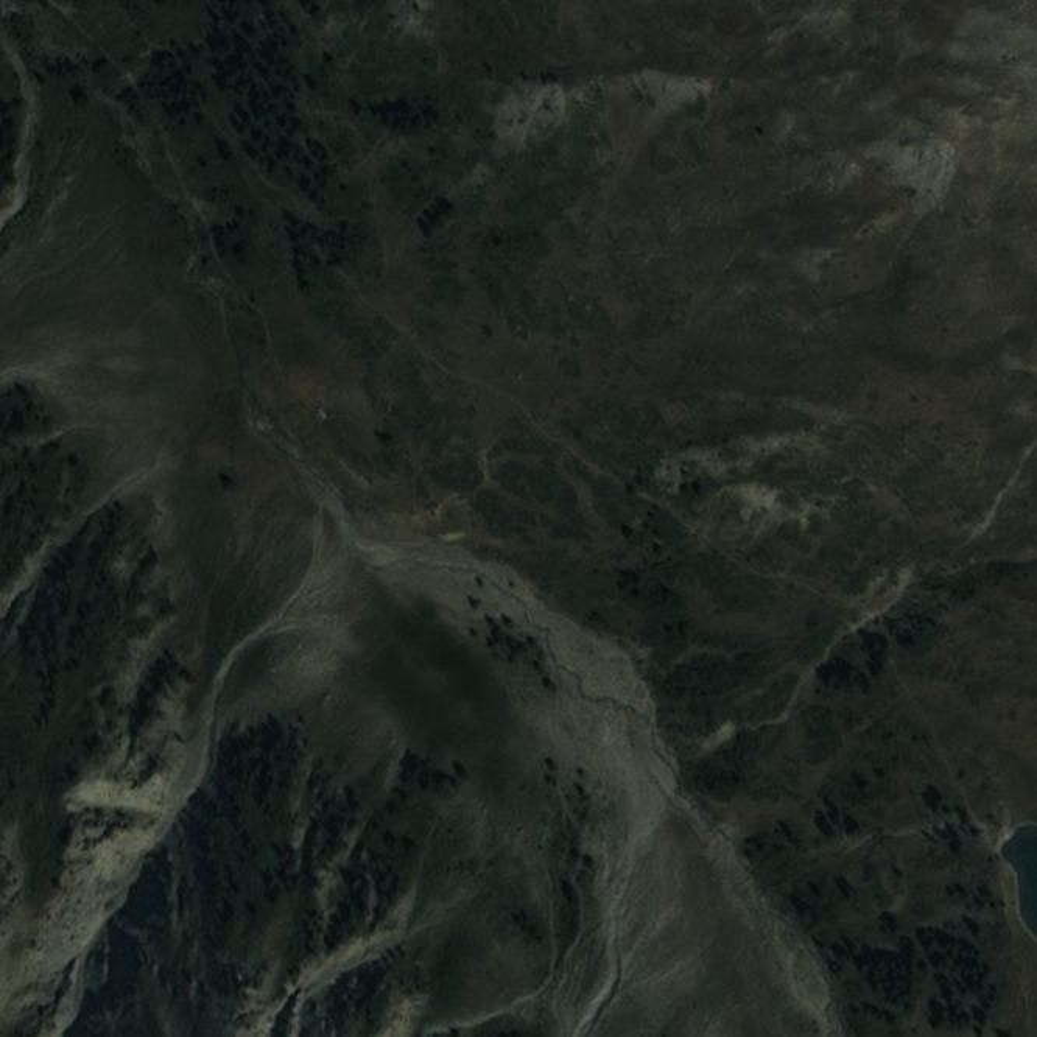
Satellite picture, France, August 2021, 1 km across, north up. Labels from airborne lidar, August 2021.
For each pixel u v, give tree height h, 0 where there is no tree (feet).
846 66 0
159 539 0
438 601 0
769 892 0
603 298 0
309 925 32
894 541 0
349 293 0
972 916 0
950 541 0
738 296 0
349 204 0
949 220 0
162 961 0
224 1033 0
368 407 0
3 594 0
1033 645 0
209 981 0
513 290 0
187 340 0
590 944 0
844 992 0
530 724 0
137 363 0
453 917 0
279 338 0
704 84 0
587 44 0
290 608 0
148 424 0
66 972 0
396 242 0
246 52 64
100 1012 0
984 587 0
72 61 24
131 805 0
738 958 0
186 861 0
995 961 0
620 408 0
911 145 0
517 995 0
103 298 0
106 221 0
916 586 0
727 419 0
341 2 0
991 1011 42
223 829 0
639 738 0
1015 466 0
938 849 61
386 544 0
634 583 45
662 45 0
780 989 0
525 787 0
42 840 0
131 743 0
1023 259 0
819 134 0
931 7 0
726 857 0
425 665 0
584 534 0
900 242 0
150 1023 0
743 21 0
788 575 0
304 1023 0
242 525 0
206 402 0
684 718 0
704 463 0
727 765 0
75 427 0
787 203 0
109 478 0
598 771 0
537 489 0
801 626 0
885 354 0
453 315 0
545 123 0
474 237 0
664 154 0
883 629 0
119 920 0
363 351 0
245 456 0
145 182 0
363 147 0
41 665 0
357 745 0
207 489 0
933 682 0
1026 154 0
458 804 0
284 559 0
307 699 0
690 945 0
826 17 0
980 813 0
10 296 0
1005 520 0
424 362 0
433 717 0
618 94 0
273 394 0
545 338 0
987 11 0
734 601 0
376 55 0
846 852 0
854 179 0
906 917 0
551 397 0
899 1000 64
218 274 0
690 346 0
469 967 0
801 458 0
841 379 0
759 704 0
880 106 0
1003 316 0
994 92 0
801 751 0
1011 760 0
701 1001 0
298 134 56
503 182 0
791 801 0
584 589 0
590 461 0
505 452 0
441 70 0
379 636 0
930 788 0
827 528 0
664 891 0
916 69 0
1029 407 0
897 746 0
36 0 53
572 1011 0
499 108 0
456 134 0
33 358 0
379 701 0
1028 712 0
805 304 0
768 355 0
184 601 0
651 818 0
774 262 0
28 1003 0
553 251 0
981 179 0
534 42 0
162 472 0
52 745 0
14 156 53
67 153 0
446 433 0
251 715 0
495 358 0
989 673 0
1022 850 0
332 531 0
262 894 0
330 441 0
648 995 0
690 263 0
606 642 0
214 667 0
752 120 0
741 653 0
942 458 0
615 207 0
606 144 0
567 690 0
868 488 0
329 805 26
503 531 0
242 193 0
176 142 0
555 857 0
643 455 0
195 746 0
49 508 0
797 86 0
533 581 0
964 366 0
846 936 0
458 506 0
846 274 0
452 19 0
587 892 0
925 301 0
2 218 0
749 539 0
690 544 0
